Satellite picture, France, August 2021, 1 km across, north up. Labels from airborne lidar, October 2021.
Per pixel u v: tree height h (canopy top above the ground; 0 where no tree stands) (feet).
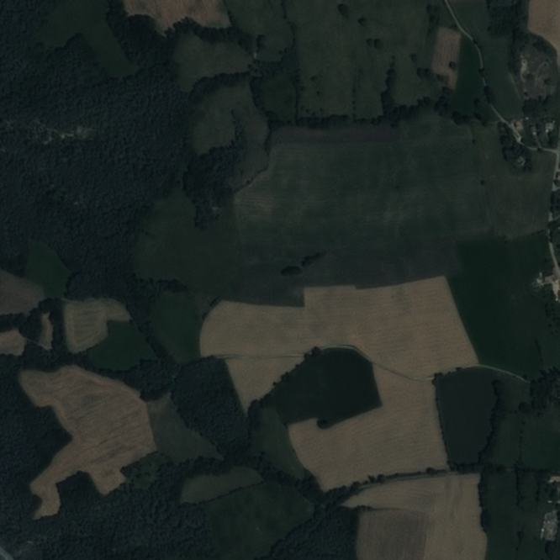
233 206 0
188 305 0
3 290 0
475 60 0
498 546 0
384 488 0
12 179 45
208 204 33
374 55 0
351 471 0
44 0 45
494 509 0
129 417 0
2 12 46
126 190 23
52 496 0
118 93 46
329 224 0
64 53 62
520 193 0
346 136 0
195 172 64
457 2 0
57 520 51
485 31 0
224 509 0
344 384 0
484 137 0
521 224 0
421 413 0
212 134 0
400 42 0
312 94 0
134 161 40
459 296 0
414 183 0
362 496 0
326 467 0
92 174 36
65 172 39
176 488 62
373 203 0
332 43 0
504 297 0
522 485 33
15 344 0
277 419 0
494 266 0
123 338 0
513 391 0
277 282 0
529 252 0
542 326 0
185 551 48
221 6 0
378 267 0
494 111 0
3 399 57
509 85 0
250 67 34
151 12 0
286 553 72
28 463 56
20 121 39
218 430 53
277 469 33
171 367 41
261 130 0
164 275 0
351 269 0
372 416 0
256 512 0
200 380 43
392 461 0
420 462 0
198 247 0
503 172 0
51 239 50
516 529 0
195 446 0
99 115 27
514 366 0
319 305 0
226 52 0
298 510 0
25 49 44
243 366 0
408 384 0
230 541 0
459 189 0
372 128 0
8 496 34
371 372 0
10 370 43
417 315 0
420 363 0
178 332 0
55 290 0
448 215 0
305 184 0
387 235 0
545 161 0
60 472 0
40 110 35
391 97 43
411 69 0
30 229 49
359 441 0
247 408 0
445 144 0
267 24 0
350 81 0
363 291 0
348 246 0
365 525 0
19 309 0
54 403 0
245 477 0
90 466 0
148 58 76
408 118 54
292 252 0
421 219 0
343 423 0
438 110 63
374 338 0
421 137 0
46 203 56
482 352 0
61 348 46
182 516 53
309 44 0
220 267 0
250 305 0
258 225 0
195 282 0
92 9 0
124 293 60
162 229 0
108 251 50
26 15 48
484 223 0
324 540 29
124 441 0
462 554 0
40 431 46
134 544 32
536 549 0
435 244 0
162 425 0
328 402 0
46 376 0
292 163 0
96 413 0
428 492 0
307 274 0
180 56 0
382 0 0
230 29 43
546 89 0
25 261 63
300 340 0
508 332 0
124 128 36
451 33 0
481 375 0
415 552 0
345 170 0
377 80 0
